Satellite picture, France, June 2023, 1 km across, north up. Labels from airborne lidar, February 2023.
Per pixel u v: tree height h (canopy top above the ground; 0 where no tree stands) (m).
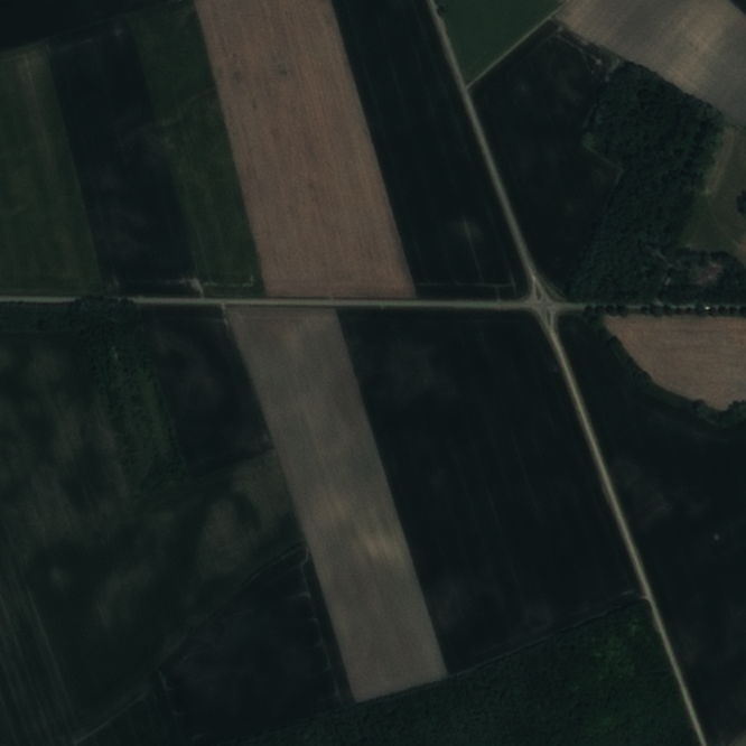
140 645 0
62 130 0
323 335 0
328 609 0
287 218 0
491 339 0
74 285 0
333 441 0
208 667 0
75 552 0
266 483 0
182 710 0
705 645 0
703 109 18
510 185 0
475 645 0
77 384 0
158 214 0
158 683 0
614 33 0
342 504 0
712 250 0
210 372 0
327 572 0
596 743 6
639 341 0
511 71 0
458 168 0
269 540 0
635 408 0
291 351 0
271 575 0
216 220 0
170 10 0
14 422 0
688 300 15
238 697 0
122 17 0
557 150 0
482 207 0
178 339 0
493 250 0
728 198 0
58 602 0
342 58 0
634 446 0
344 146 0
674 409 0
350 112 0
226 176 0
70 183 0
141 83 0
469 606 0
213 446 0
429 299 0
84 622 0
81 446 0
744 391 0
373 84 0
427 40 0
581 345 0
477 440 0
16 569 0
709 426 0
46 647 0
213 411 0
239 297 0
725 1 0
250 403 0
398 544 0
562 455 0
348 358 0
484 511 0
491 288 0
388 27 0
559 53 0
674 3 0
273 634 0
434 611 0
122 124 0
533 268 0
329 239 0
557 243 0
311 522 0
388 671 0
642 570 0
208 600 0
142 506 0
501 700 8
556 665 9
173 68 0
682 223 19
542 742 10
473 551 0
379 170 0
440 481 0
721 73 0
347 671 0
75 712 0
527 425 0
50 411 0
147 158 0
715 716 0
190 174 0
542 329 0
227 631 0
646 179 26
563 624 0
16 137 0
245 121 0
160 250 0
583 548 0
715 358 0
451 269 0
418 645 0
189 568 0
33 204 0
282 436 0
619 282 28
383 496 0
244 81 0
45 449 0
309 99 0
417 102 0
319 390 0
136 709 0
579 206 0
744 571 0
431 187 0
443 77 0
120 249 0
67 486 0
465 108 0
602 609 0
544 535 0
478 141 0
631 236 27
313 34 0
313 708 0
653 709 5
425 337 0
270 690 0
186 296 0
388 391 0
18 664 0
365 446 0
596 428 0
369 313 0
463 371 0
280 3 0
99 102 0
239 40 0
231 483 0
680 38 0
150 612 0
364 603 0
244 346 0
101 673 0
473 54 0
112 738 0
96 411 0
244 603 0
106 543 0
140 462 0
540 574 0
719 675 0
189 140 0
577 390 0
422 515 0
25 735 0
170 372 0
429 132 0
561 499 0
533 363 0
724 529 0
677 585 0
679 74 0
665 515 0
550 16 0
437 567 0
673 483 0
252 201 0
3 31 0
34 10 0
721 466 0
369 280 0
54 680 0
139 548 0
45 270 0
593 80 0
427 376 0
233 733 0
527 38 0
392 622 0
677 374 0
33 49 0
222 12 0
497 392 0
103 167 0
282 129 0
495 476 0
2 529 0
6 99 0
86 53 0
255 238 0
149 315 0
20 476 0
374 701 7
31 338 0
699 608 0
